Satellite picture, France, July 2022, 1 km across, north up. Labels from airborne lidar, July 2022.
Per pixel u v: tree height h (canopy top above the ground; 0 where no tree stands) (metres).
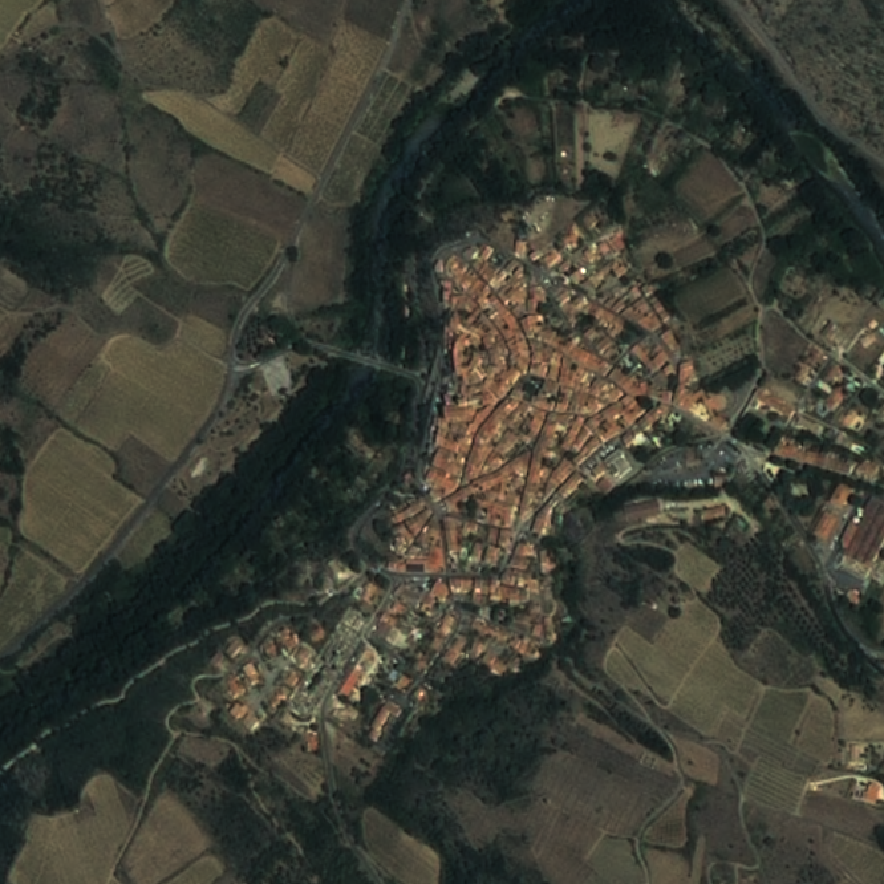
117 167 0
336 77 0
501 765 9
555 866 0
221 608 10
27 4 0
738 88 23
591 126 0
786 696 0
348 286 10
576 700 0
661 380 0
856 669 7
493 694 7
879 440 8
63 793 10
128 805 0
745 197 0
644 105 8
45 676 22
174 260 0
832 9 0
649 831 0
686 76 5
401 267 15
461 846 7
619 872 0
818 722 0
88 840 0
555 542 18
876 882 0
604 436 0
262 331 9
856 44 0
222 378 0
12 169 0
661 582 7
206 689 0
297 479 23
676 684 0
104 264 0
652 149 9
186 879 0
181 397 0
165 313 0
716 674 0
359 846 13
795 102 20
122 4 0
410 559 0
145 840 0
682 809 0
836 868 0
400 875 0
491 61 17
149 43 0
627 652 0
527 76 15
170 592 20
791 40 0
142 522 0
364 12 0
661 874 0
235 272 0
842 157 17
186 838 0
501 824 0
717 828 0
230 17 0
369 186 11
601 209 6
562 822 0
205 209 0
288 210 0
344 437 27
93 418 0
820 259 13
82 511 0
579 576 10
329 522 10
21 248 12
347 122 0
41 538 0
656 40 14
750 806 0
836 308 0
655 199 0
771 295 8
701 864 0
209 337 0
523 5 9
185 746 0
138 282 0
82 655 25
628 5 27
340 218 0
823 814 0
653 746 12
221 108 0
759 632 6
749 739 0
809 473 17
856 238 27
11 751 9
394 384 9
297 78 0
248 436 0
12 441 7
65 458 0
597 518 11
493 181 10
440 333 8
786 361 0
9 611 0
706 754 0
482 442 0
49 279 7
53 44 0
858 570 0
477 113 16
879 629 0
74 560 0
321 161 0
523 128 0
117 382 0
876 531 0
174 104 0
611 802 0
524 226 11
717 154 8
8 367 6
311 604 6
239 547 20
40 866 0
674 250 0
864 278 6
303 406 23
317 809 11
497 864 7
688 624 0
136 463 0
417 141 0
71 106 0
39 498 0
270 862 8
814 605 10
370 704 13
